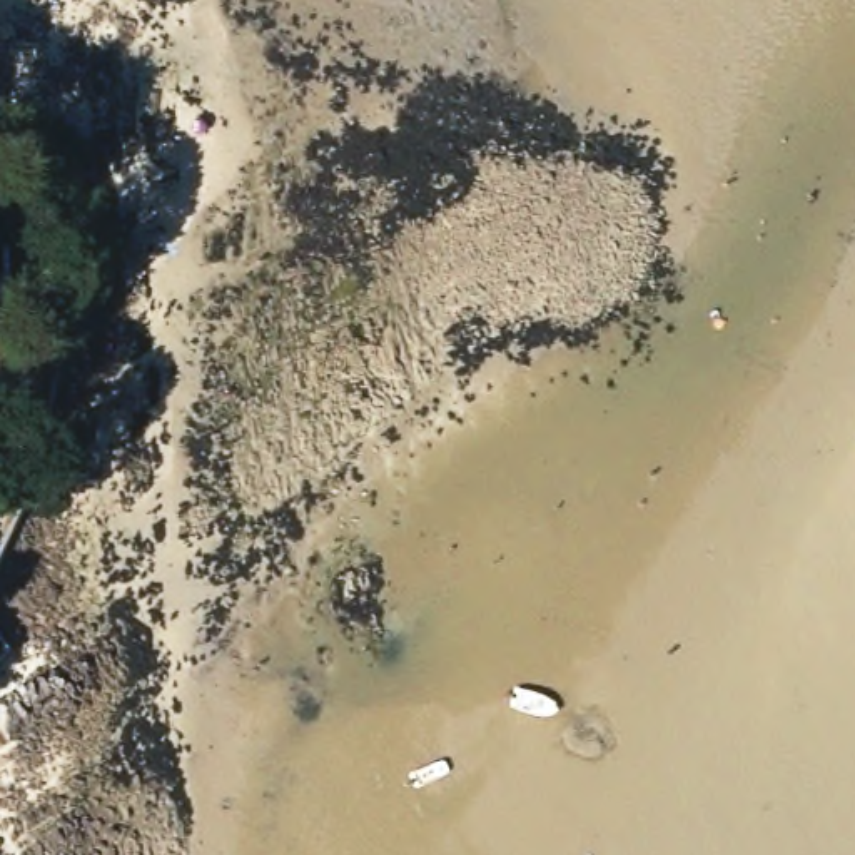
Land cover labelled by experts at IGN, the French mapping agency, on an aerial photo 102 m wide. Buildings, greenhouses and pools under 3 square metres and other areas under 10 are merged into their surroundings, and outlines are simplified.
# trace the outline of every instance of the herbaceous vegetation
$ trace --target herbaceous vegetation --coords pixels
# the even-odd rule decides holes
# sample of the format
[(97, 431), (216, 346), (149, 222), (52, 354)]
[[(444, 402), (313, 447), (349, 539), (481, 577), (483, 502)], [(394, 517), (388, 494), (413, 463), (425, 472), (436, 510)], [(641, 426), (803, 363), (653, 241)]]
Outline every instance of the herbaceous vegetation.
[(214, 635), (220, 635), (227, 615), (237, 608), (237, 581), (250, 578), (257, 561), (267, 561), (271, 574), (297, 571), (291, 544), (304, 538), (304, 528), (297, 514), (284, 504), (257, 518), (244, 514), (230, 461), (210, 458), (210, 438), (184, 434), (190, 468), (184, 484), (197, 488), (217, 514), (217, 521), (207, 521), (207, 534), (220, 531), (217, 551), (207, 551), (197, 561), (184, 564), (187, 578), (204, 578), (217, 588), (214, 601), (204, 601), (204, 638), (210, 641)]
[(317, 57), (294, 57), (281, 47), (267, 47), (264, 57), (277, 70), (291, 73), (294, 80), (314, 77)]
[(210, 234), (210, 240), (204, 244), (207, 261), (240, 254), (244, 214), (237, 210), (224, 230)]
[(491, 354), (504, 351), (508, 344), (521, 344), (514, 364), (531, 364), (531, 347), (544, 347), (554, 341), (568, 347), (591, 344), (584, 327), (568, 327), (554, 321), (534, 321), (521, 331), (511, 331), (504, 324), (498, 337), (491, 337), (488, 317), (468, 307), (448, 327), (451, 357), (461, 361), (458, 374), (474, 374)]
[(124, 508), (134, 508), (137, 494), (144, 494), (154, 484), (160, 468), (160, 448), (154, 448), (154, 441), (140, 434), (120, 444), (110, 458), (110, 474), (127, 474), (120, 491)]
[[(571, 150), (571, 160), (594, 164), (598, 170), (621, 170), (628, 177), (638, 174), (648, 200), (665, 194), (665, 180), (675, 177), (671, 157), (661, 157), (658, 150), (641, 154), (635, 137), (625, 134), (578, 130), (574, 120), (561, 114), (551, 100), (524, 97), (494, 73), (444, 77), (438, 67), (424, 67), (424, 80), (401, 107), (394, 130), (367, 130), (361, 124), (351, 124), (341, 134), (324, 130), (307, 140), (307, 160), (317, 164), (317, 174), (301, 187), (291, 187), (291, 197), (284, 204), (284, 210), (294, 220), (301, 220), (301, 234), (284, 250), (284, 267), (304, 271), (311, 261), (331, 257), (347, 274), (354, 274), (357, 291), (364, 294), (374, 281), (371, 247), (394, 247), (394, 237), (407, 220), (434, 220), (441, 210), (464, 204), (478, 177), (474, 167), (484, 157), (524, 167), (534, 157), (541, 160), (554, 150)], [(361, 194), (337, 190), (337, 177), (344, 174), (394, 180), (397, 200), (381, 214), (381, 234), (364, 230), (364, 220), (357, 214)]]
[(180, 832), (190, 835), (194, 808), (184, 788), (177, 748), (170, 745), (170, 728), (160, 721), (157, 708), (157, 695), (167, 678), (167, 661), (154, 648), (154, 635), (137, 621), (137, 605), (124, 594), (107, 605), (114, 618), (124, 618), (127, 625), (127, 675), (124, 698), (110, 711), (110, 728), (120, 728), (124, 738), (110, 748), (110, 755), (100, 758), (104, 785), (150, 785), (157, 795), (170, 795)]
[(361, 87), (391, 90), (404, 73), (391, 60), (374, 60), (357, 40), (351, 43), (354, 67), (327, 67), (327, 83), (334, 90), (331, 110), (344, 110), (347, 97)]
[(361, 625), (364, 635), (381, 635), (387, 628), (381, 605), (384, 564), (364, 544), (361, 564), (347, 564), (327, 588), (331, 605), (337, 611), (337, 625), (344, 631), (354, 631)]

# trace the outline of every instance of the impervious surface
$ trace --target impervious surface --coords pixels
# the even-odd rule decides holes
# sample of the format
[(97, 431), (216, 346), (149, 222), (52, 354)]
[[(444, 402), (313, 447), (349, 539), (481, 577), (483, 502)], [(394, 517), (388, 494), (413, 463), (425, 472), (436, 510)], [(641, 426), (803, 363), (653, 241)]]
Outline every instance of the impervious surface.
[(0, 688), (13, 678), (13, 665), (23, 658), (27, 645), (27, 628), (13, 611), (13, 594), (33, 581), (40, 568), (37, 551), (7, 548), (17, 514), (0, 518)]

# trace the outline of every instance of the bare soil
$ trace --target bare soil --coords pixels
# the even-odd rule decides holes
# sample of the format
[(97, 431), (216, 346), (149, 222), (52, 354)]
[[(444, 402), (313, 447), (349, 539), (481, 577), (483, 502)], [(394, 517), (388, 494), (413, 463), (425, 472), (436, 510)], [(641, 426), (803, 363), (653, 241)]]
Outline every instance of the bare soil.
[[(327, 83), (327, 67), (354, 67), (351, 43), (357, 40), (374, 60), (391, 60), (404, 73), (391, 90), (361, 87), (347, 97), (344, 110), (331, 110), (334, 90)], [(294, 80), (291, 73), (277, 70), (264, 57), (267, 47), (281, 47), (294, 57), (317, 57), (314, 77)], [(294, 220), (284, 210), (284, 204), (291, 197), (291, 187), (301, 187), (317, 174), (317, 164), (307, 160), (307, 140), (324, 130), (341, 134), (351, 124), (361, 124), (367, 130), (394, 130), (401, 107), (424, 80), (424, 67), (438, 67), (444, 77), (494, 73), (524, 97), (551, 100), (561, 114), (574, 120), (578, 130), (625, 134), (635, 137), (641, 154), (658, 150), (661, 157), (671, 157), (675, 177), (665, 180), (665, 194), (648, 200), (638, 174), (628, 177), (621, 170), (598, 170), (594, 164), (571, 160), (571, 150), (554, 150), (541, 160), (534, 157), (524, 167), (484, 157), (474, 167), (478, 177), (464, 204), (441, 210), (434, 220), (407, 220), (394, 237), (394, 247), (371, 247), (374, 281), (364, 294), (357, 291), (354, 274), (347, 274), (331, 257), (311, 261), (304, 271), (284, 267), (284, 250), (301, 234), (301, 220)], [(87, 334), (77, 344), (77, 351), (63, 351), (63, 357), (57, 361), (27, 367), (33, 374), (30, 397), (43, 401), (53, 417), (77, 407), (77, 414), (87, 421), (94, 438), (90, 481), (97, 488), (77, 491), (70, 508), (57, 518), (17, 514), (7, 548), (37, 551), (40, 568), (33, 581), (13, 594), (13, 611), (27, 628), (27, 645), (23, 658), (13, 665), (13, 678), (0, 688), (0, 855), (855, 855), (855, 0), (0, 0), (0, 73), (13, 70), (13, 104), (60, 127), (60, 147), (67, 160), (80, 170), (90, 190), (120, 214), (127, 230), (127, 254), (144, 267), (140, 277), (130, 274), (120, 281), (120, 301), (104, 334)], [(207, 261), (204, 244), (210, 240), (210, 234), (224, 230), (237, 210), (244, 214), (240, 254)], [(554, 321), (568, 327), (584, 327), (591, 344), (568, 347), (554, 341), (544, 347), (531, 347), (531, 364), (514, 364), (521, 344), (508, 344), (504, 351), (491, 354), (474, 374), (458, 374), (461, 361), (451, 357), (448, 327), (468, 307), (488, 317), (491, 337), (498, 337), (504, 324), (511, 331), (521, 331), (534, 321)], [(120, 491), (127, 474), (110, 474), (110, 458), (120, 444), (140, 434), (154, 441), (154, 448), (160, 448), (160, 468), (154, 484), (144, 494), (137, 494), (134, 508), (124, 508)], [(214, 635), (210, 641), (204, 638), (204, 601), (214, 601), (217, 588), (204, 578), (187, 578), (184, 564), (197, 561), (207, 551), (217, 551), (220, 531), (207, 534), (207, 521), (217, 521), (217, 514), (197, 488), (184, 484), (190, 468), (184, 434), (210, 438), (210, 458), (230, 461), (244, 514), (257, 518), (284, 504), (297, 514), (304, 528), (304, 538), (291, 544), (297, 571), (271, 574), (267, 561), (257, 561), (250, 578), (237, 581), (237, 608), (227, 615), (220, 635)], [(364, 544), (384, 564), (381, 605), (387, 628), (381, 635), (364, 635), (361, 625), (354, 631), (344, 631), (337, 625), (337, 611), (331, 605), (327, 588), (347, 564), (361, 564)], [(127, 625), (124, 618), (114, 618), (107, 605), (124, 594), (137, 605), (137, 621), (154, 635), (154, 648), (167, 661), (167, 678), (157, 695), (157, 708), (160, 721), (170, 728), (170, 745), (177, 748), (184, 788), (194, 808), (190, 835), (180, 832), (170, 795), (157, 795), (150, 785), (104, 785), (100, 758), (110, 755), (110, 748), (124, 738), (120, 728), (110, 728), (110, 711), (124, 698), (127, 675)]]
[(397, 200), (394, 180), (344, 174), (337, 177), (337, 190), (361, 194), (357, 214), (364, 220), (364, 230), (381, 234), (381, 214)]

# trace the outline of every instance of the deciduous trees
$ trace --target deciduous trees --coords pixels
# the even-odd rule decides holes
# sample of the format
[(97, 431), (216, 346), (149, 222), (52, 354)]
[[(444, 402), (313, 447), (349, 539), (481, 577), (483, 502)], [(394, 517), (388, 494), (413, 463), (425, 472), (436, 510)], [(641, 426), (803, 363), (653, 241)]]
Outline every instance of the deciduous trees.
[(63, 351), (77, 351), (77, 344), (87, 334), (104, 334), (120, 301), (120, 281), (130, 274), (140, 277), (144, 267), (127, 254), (127, 230), (120, 214), (90, 190), (80, 170), (67, 160), (60, 147), (60, 127), (13, 104), (13, 70), (0, 73), (0, 518), (17, 514), (57, 518), (70, 508), (77, 491), (97, 488), (90, 481), (94, 438), (87, 421), (77, 414), (77, 407), (53, 417), (43, 401), (30, 397), (33, 374), (27, 367), (57, 361), (63, 357)]

